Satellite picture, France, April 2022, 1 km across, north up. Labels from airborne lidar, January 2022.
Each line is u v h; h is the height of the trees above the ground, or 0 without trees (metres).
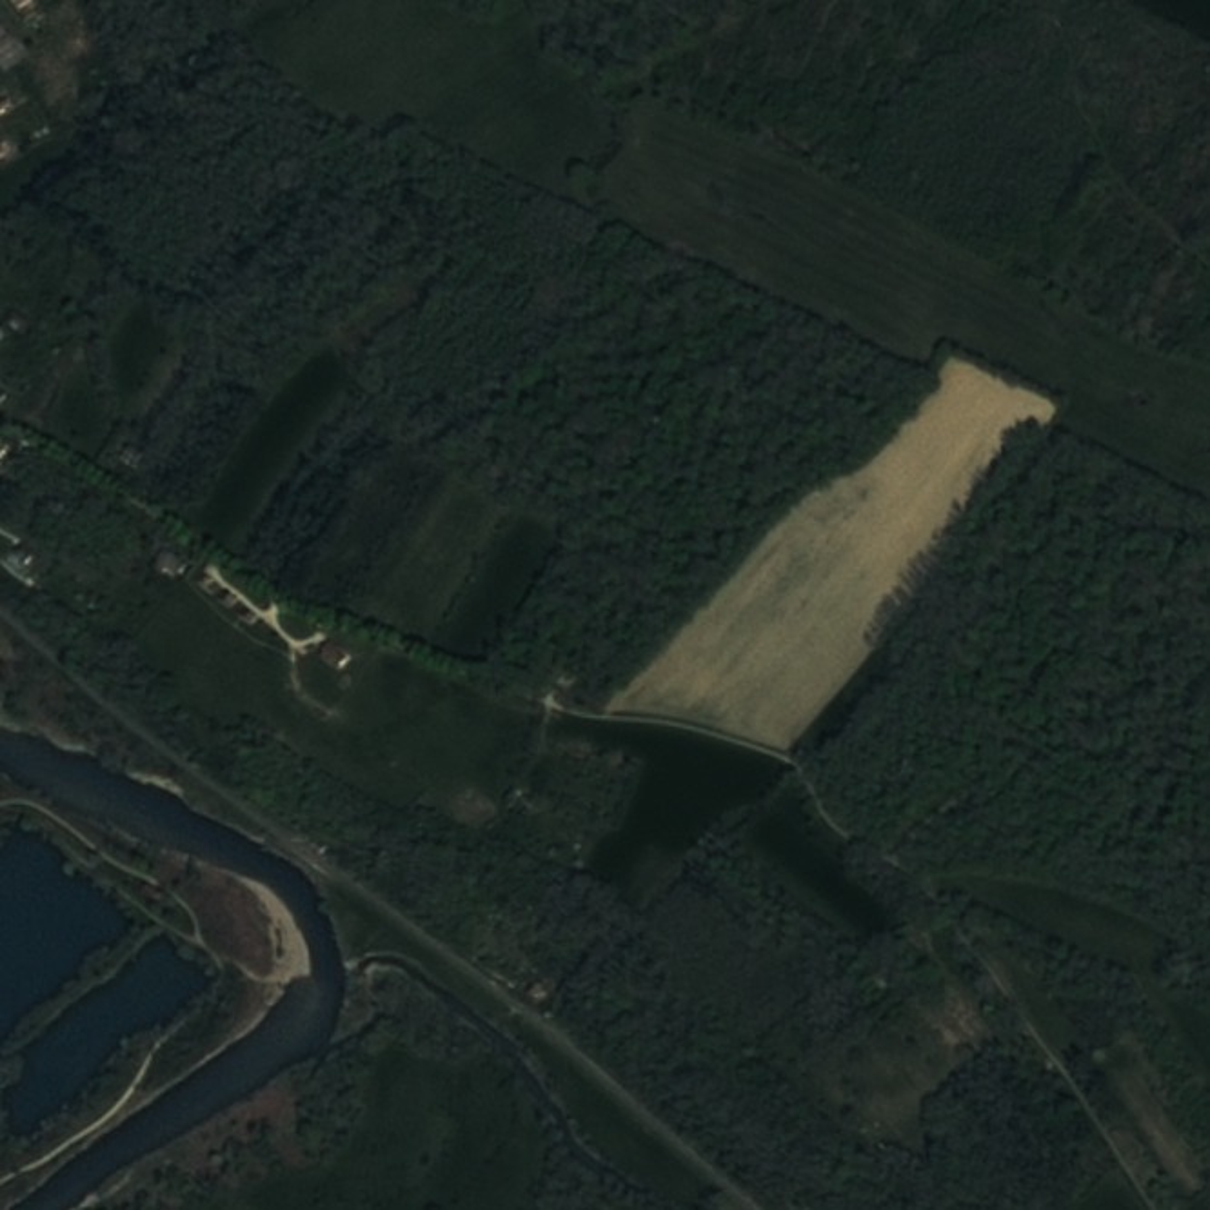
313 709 0
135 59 23
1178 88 7
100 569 25
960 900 13
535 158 0
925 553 0
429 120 0
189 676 0
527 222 0
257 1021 0
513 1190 0
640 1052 21
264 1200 0
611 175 0
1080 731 23
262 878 0
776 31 0
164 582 0
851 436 23
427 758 0
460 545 0
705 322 24
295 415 0
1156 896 20
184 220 10
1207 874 21
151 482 20
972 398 0
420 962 0
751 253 0
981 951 16
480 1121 0
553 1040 0
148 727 16
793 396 26
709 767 0
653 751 0
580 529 22
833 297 0
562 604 25
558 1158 15
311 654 0
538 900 7
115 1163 0
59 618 23
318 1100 7
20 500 21
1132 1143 0
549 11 27
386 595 0
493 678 17
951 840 18
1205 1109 20
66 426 0
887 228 0
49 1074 0
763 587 0
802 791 13
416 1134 0
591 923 24
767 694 0
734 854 21
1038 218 14
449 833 11
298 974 0
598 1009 18
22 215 9
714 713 0
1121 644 24
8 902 0
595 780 7
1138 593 24
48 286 0
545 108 0
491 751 0
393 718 0
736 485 22
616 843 0
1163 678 27
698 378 23
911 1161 18
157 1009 0
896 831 19
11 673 16
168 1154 0
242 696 0
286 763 16
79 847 0
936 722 23
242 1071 0
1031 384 13
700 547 23
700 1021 21
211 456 23
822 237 0
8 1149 8
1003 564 28
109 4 21
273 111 12
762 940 22
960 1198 19
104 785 0
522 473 22
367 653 0
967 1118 20
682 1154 0
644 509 24
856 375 25
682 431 21
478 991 0
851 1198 10
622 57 30
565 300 0
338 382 0
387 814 7
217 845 0
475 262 17
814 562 0
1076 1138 19
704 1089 20
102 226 11
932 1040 0
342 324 25
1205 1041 0
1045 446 22
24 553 0
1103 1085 25
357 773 0
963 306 0
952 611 26
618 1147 0
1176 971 19
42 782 0
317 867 0
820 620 0
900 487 0
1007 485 21
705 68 0
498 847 7
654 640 26
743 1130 23
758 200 0
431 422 24
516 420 25
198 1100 0
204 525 0
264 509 0
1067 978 18
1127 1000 18
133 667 23
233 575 11
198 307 20
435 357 9
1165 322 0
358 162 6
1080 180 15
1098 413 0
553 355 21
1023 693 24
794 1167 21
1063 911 0
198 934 0
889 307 0
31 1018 9
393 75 0
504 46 0
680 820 0
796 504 16
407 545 0
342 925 0
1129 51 6
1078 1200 14
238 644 0
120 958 0
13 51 0
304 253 32
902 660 24
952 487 0
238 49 24
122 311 21
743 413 28
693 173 0
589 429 25
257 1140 15
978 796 21
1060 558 26
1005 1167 21
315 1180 0
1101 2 7
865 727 23
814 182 0
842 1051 21
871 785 18
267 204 9
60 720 14
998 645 24
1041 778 20
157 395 0
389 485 0
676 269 23
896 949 22
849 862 16
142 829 0
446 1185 0
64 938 0
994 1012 13
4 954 0
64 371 0
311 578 24
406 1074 0
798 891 0
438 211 19
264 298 33
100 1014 0
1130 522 23
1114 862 21
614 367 21
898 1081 0
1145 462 0
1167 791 20
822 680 0
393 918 0
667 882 0
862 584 0
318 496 23
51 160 0
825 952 22
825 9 0
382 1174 0
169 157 15
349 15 0
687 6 26
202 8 17
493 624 0
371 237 32
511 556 0
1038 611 21
